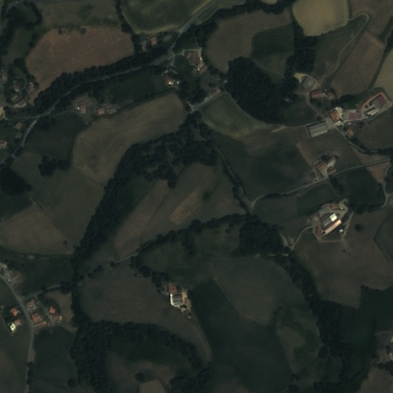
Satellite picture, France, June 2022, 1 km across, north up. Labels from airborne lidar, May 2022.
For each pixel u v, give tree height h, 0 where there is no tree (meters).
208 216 0
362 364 7
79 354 22
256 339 0
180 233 6
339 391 16
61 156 0
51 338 0
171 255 0
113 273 0
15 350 0
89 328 26
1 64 16
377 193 0
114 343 17
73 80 22
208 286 0
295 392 18
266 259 8
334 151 0
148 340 16
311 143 0
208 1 0
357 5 0
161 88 0
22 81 8
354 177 0
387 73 0
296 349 0
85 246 17
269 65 0
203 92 24
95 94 14
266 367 0
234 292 0
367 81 0
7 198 0
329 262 0
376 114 0
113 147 0
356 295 0
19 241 0
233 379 0
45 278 0
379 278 0
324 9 0
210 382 9
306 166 0
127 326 17
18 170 0
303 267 9
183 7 0
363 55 0
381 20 0
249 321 0
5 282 0
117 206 20
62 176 0
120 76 18
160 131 0
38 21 8
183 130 20
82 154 0
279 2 17
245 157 0
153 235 0
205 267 0
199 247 0
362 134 0
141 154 8
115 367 0
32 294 0
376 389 0
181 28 0
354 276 0
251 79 19
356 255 0
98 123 0
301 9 0
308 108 0
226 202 0
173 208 0
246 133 0
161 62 0
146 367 0
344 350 14
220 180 0
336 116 0
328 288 0
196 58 0
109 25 0
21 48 0
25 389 0
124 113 0
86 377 19
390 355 0
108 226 22
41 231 0
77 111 0
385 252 0
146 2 0
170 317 0
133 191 0
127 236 0
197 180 0
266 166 0
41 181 0
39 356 0
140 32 0
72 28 0
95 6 0
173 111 0
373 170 0
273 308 0
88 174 0
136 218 0
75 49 0
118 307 0
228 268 0
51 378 0
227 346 0
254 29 0
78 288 19
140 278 0
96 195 0
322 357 15
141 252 9
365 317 0
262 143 0
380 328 0
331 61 0
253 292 0
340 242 0
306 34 0
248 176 0
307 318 0
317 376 0
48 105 8
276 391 0
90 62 0
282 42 0
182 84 18
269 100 21
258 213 0
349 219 0
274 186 0
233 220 19
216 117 0
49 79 0
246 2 9
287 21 0
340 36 0
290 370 0
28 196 0
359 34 0
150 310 0
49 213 0
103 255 0
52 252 0
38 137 0
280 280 0
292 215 0
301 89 0
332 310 14
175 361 0
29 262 0
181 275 0
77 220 0
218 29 0
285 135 0
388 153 19
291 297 0
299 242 0
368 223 0
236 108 0
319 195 0
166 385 0
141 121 0
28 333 0
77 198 0
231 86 23
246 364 0
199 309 0
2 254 0
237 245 0
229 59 0
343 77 0
